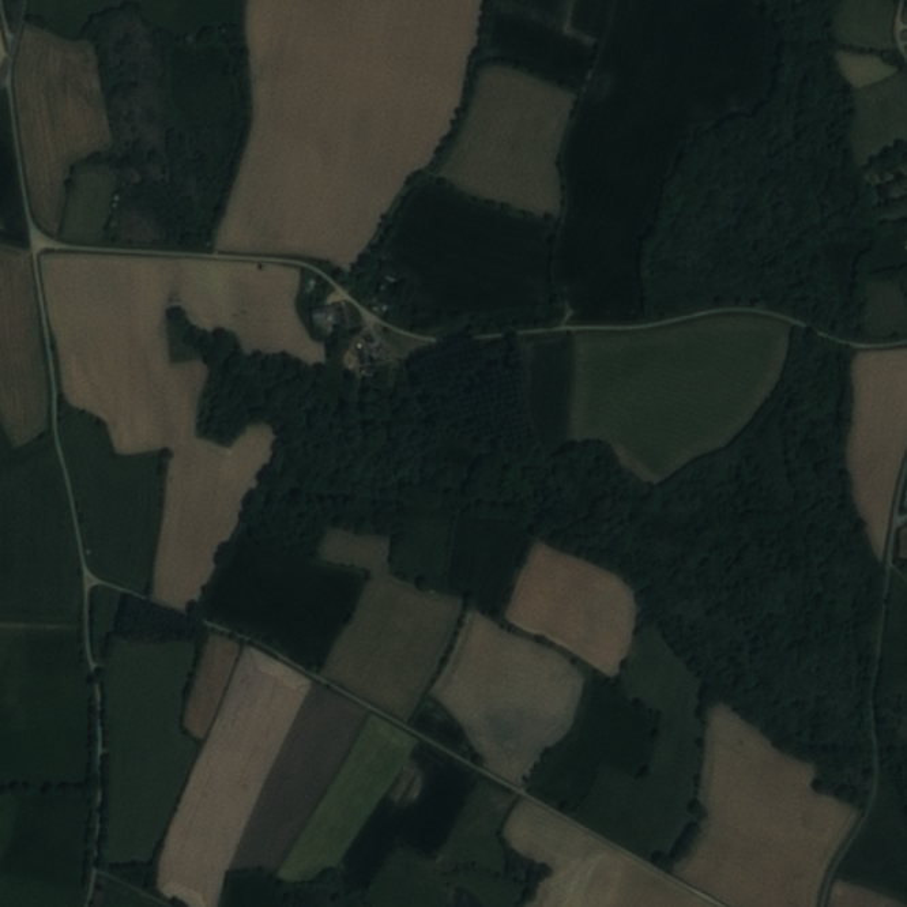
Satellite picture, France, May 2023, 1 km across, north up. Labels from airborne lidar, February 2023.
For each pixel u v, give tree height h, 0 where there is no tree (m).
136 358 0
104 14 8
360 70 0
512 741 0
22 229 0
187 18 0
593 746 0
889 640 0
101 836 7
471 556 0
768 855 0
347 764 0
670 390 0
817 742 13
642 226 0
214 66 0
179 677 0
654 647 0
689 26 0
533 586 0
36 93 0
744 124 17
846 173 10
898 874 0
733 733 0
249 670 0
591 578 0
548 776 0
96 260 0
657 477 0
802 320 10
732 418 0
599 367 0
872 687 9
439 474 13
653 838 0
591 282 0
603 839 0
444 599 0
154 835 0
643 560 6
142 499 0
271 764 0
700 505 13
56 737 0
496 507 14
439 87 0
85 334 0
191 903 0
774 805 0
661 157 0
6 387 0
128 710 0
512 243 0
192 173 8
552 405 0
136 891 0
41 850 0
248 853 0
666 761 0
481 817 0
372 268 11
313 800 0
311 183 0
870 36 0
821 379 5
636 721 0
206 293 0
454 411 32
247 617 0
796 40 16
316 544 9
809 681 12
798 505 9
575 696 0
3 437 0
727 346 0
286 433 15
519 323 6
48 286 0
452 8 0
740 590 10
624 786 0
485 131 0
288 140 0
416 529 0
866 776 9
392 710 0
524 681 0
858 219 10
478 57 13
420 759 0
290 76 0
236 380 15
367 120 0
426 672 0
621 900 0
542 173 0
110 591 0
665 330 0
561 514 14
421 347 0
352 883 0
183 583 0
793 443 6
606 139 0
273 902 0
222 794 0
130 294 0
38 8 0
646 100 0
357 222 0
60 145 0
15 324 0
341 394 0
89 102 0
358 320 0
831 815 0
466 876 0
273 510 19
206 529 0
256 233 0
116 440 0
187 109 0
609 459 17
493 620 8
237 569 0
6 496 0
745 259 10
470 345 24
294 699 0
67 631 0
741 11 0
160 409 0
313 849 0
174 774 0
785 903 0
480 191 0
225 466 0
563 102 0
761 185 16
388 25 0
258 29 0
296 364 10
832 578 9
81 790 13
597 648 0
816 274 12
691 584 8
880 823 0
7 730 0
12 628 0
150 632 17
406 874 0
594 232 0
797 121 12
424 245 0
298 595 0
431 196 0
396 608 0
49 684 0
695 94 0
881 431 0
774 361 0
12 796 11
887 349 0
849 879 0
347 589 0
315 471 9
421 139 0
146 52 0
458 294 0
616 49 0
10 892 0
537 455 19
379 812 0
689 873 0
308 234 0
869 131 0
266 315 0
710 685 12
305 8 0
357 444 9
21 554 0
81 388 0
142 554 0
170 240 6
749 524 10
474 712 0
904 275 9
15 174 0
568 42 0
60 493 0
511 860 6
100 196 0
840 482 15
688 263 8
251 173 0
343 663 0
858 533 9
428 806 0
